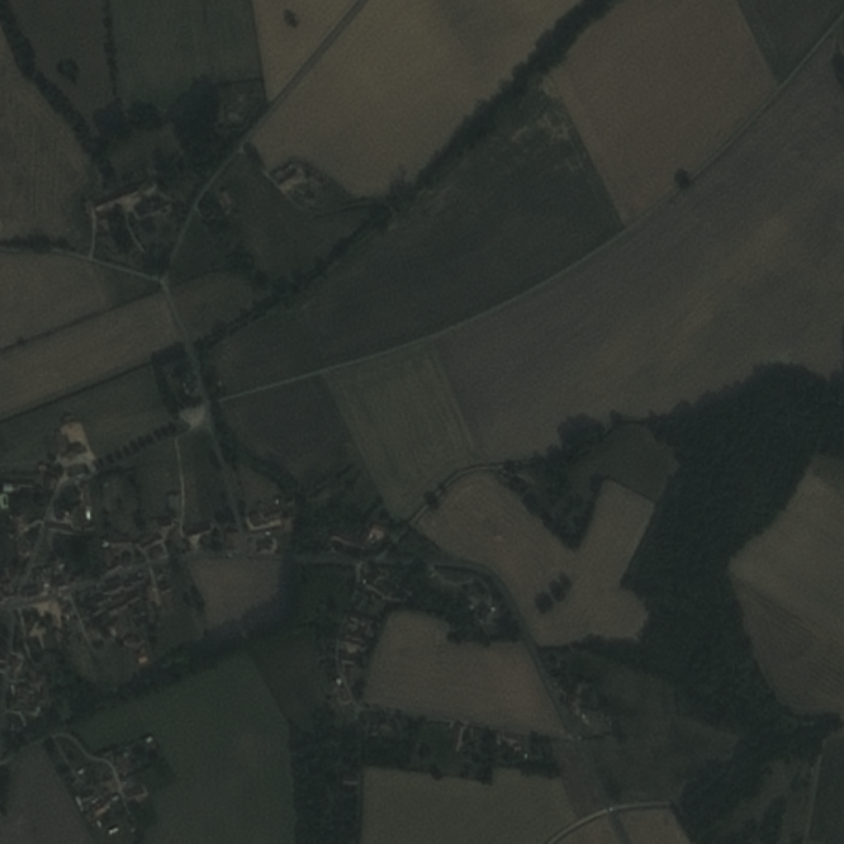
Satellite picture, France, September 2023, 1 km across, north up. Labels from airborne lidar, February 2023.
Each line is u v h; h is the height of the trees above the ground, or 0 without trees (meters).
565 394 0
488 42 0
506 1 0
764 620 0
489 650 0
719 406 15
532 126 0
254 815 0
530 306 0
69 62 8
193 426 0
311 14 0
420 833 0
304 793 9
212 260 0
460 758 0
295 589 31
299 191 0
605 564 0
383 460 0
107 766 0
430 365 0
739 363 0
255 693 0
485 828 0
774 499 10
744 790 11
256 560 0
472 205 0
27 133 0
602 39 0
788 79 0
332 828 13
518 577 0
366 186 0
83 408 0
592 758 0
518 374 0
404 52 0
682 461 17
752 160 0
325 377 0
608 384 0
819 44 0
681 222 0
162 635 0
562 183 0
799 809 0
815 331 0
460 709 0
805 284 0
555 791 0
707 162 0
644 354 0
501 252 0
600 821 0
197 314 0
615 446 0
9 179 0
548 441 0
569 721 0
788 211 0
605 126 0
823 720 12
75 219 0
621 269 0
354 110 0
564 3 0
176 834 0
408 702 0
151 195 0
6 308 0
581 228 0
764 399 14
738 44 0
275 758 0
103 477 7
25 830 0
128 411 0
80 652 0
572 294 0
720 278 0
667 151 0
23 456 0
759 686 13
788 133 0
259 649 0
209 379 17
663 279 0
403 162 0
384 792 0
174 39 0
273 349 0
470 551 0
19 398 0
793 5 0
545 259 0
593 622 0
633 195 0
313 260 0
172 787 0
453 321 0
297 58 0
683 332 0
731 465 15
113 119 21
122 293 0
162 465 0
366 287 0
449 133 0
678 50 0
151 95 0
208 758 0
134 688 14
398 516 0
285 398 0
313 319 0
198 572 0
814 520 0
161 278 0
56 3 0
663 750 0
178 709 0
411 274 0
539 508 9
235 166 0
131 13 0
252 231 0
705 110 0
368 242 0
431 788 0
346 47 0
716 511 13
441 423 0
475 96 0
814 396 14
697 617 15
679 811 11
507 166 0
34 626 0
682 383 0
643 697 0
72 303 0
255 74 0
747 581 0
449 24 0
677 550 13
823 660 0
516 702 0
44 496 6
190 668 13
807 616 0
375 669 0
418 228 0
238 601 0
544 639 0
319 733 8
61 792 0
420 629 0
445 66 0
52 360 0
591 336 0
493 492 0
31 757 0
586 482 0
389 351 0
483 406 0
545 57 16
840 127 0
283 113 0
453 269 0
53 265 0
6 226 0
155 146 0
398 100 0
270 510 0
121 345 0
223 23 0
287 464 0
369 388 0
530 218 0
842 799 0
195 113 28
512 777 0
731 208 0
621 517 0
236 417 0
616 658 12
